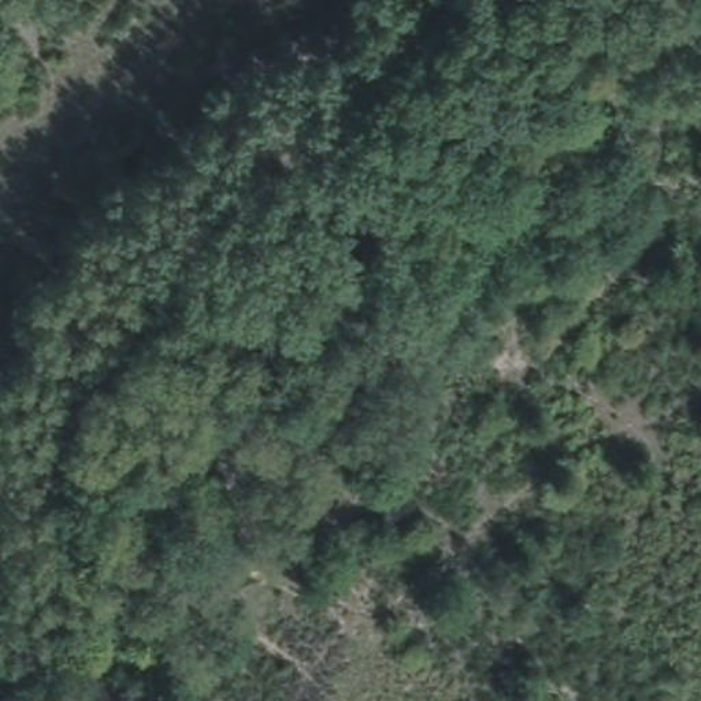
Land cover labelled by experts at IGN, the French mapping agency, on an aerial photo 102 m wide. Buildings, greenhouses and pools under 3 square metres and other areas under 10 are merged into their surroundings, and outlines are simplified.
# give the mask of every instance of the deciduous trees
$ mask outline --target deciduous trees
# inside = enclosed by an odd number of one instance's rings
[[[487,71],[485,82],[468,90],[452,90],[444,99],[416,99],[408,115],[405,151],[392,156],[370,156],[370,162],[386,175],[422,181],[422,189],[408,203],[403,203],[397,214],[397,227],[389,235],[411,235],[416,225],[427,227],[427,241],[422,246],[408,249],[408,255],[413,260],[433,263],[435,274],[430,279],[430,293],[435,293],[441,301],[455,298],[463,307],[474,301],[487,315],[487,320],[504,323],[504,318],[509,318],[518,307],[550,296],[591,301],[611,277],[630,268],[635,257],[660,235],[665,222],[665,200],[643,189],[643,183],[649,181],[649,167],[638,151],[633,131],[641,126],[657,126],[660,120],[671,120],[685,129],[701,129],[701,0],[676,0],[674,5],[663,8],[663,19],[633,11],[630,25],[624,25],[619,33],[586,30],[567,55],[548,58],[537,68],[509,66]]]
[[[550,485],[534,485],[526,501],[520,501],[515,509],[501,509],[496,520],[487,523],[487,534],[479,542],[468,542],[463,531],[449,531],[452,556],[441,556],[441,570],[452,575],[452,581],[438,591],[430,589],[413,600],[416,608],[430,619],[430,630],[446,638],[468,633],[468,627],[476,619],[474,589],[498,594],[504,611],[515,616],[515,622],[537,622],[548,605],[548,575],[575,589],[586,581],[586,575],[605,570],[605,559],[616,561],[619,531],[624,528],[624,520],[619,520],[616,515],[600,515],[600,501],[591,501],[586,496],[589,474],[605,463],[605,457],[600,452],[583,455],[578,471],[572,474],[572,482],[561,496]]]
[[[550,682],[528,676],[523,701],[545,701]]]
[[[90,33],[90,27],[99,30],[115,8],[115,0],[0,0],[0,44],[14,38],[16,33],[22,25],[38,22],[47,30],[47,36],[38,38],[38,49],[63,49],[68,33]]]
[[[44,665],[33,668],[16,682],[0,679],[0,701],[14,701],[19,693],[27,693],[38,685],[38,679],[44,676]]]
[[[690,307],[696,263],[682,263],[679,277],[663,274],[657,279],[657,304]]]

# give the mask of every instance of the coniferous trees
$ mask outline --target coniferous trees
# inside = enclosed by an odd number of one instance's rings
[[[452,90],[468,90],[485,82],[487,71],[509,66],[537,68],[548,58],[567,55],[586,30],[619,33],[624,25],[630,25],[633,11],[663,19],[663,8],[674,5],[676,0],[348,0],[348,8],[329,14],[312,27],[301,27],[298,33],[274,33],[274,38],[263,38],[260,47],[249,55],[225,58],[216,66],[197,63],[194,82],[181,88],[178,118],[170,129],[153,126],[134,142],[104,142],[101,159],[85,159],[79,164],[74,173],[66,175],[63,214],[52,219],[47,227],[47,255],[33,271],[22,268],[14,279],[14,353],[0,356],[0,679],[16,682],[33,668],[44,665],[44,676],[38,679],[38,685],[27,693],[19,693],[14,701],[104,701],[99,676],[112,663],[134,663],[140,668],[148,668],[170,663],[175,685],[181,687],[197,676],[197,671],[205,663],[227,660],[238,638],[246,638],[246,624],[241,622],[244,602],[238,600],[238,589],[244,583],[244,559],[249,559],[257,570],[263,564],[274,564],[285,572],[309,556],[312,526],[331,509],[331,504],[364,504],[370,509],[383,512],[403,507],[411,498],[416,482],[424,479],[430,468],[433,444],[424,444],[424,424],[430,424],[438,416],[438,405],[446,400],[452,389],[452,375],[457,372],[457,367],[452,364],[452,359],[457,353],[457,345],[471,337],[471,331],[479,323],[487,320],[487,315],[474,301],[463,307],[455,298],[441,301],[435,293],[430,293],[430,279],[435,274],[433,263],[413,260],[408,255],[408,249],[422,246],[427,241],[427,227],[416,225],[411,235],[389,235],[397,227],[397,214],[403,203],[408,203],[422,189],[422,181],[386,175],[370,162],[370,156],[392,156],[405,151],[408,115],[416,99],[444,99]]]

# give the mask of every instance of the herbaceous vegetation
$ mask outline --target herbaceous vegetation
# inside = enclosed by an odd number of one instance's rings
[[[63,49],[38,49],[38,38],[47,36],[47,30],[38,22],[22,25],[16,33],[27,41],[27,49],[33,55],[33,60],[25,63],[25,79],[19,85],[19,93],[38,93],[38,107],[27,118],[0,120],[0,225],[8,225],[14,219],[5,211],[11,203],[22,203],[22,194],[14,189],[14,183],[27,175],[25,162],[49,162],[49,140],[58,148],[68,151],[79,164],[85,159],[101,159],[104,142],[134,142],[153,126],[170,129],[178,118],[181,88],[194,82],[197,63],[216,66],[225,58],[249,55],[260,47],[263,38],[274,38],[274,33],[298,33],[301,27],[312,27],[329,14],[348,8],[348,0],[115,0],[115,8],[99,30],[90,27],[90,33],[68,33]]]
[[[309,682],[318,690],[320,701],[466,701],[468,696],[474,696],[474,682],[471,671],[466,668],[463,652],[452,652],[449,668],[441,671],[430,668],[433,660],[424,652],[411,652],[405,657],[386,654],[392,643],[408,638],[413,630],[430,630],[430,619],[416,608],[413,600],[405,594],[400,570],[375,570],[372,578],[359,578],[356,586],[337,605],[326,611],[312,611],[296,602],[298,586],[290,578],[285,578],[285,572],[274,564],[263,564],[257,570],[249,559],[244,559],[244,583],[238,589],[238,600],[244,602],[241,622],[246,624],[246,638],[252,638],[268,654],[277,654],[285,663],[290,663],[298,671],[298,679]]]
[[[545,701],[578,701],[578,693],[570,685],[550,682]]]

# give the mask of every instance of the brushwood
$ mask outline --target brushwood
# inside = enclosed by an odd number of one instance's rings
[[[238,638],[227,660],[205,663],[197,671],[197,676],[181,687],[175,685],[170,663],[148,668],[140,668],[134,663],[112,663],[99,676],[104,701],[320,701],[318,690],[309,682],[298,679],[298,671],[290,663],[285,663],[277,654],[268,654],[252,638],[246,638]]]
[[[19,93],[19,85],[25,79],[25,63],[33,60],[33,55],[27,49],[27,41],[16,33],[14,38],[0,44],[0,120],[27,118],[38,107],[38,93]]]
[[[5,211],[14,219],[8,225],[0,225],[0,356],[14,353],[14,279],[22,268],[33,271],[47,255],[47,227],[52,219],[63,214],[66,175],[74,173],[79,164],[68,151],[58,148],[49,140],[49,162],[25,162],[27,175],[14,183],[14,189],[22,194],[22,203],[11,203]]]
[[[520,501],[526,501],[534,485],[550,485],[561,496],[572,482],[572,474],[578,471],[583,455],[600,452],[605,457],[605,463],[589,474],[586,496],[591,501],[600,501],[600,515],[616,515],[619,520],[624,520],[624,528],[619,531],[616,561],[605,559],[605,570],[586,575],[586,581],[575,589],[548,575],[548,605],[537,622],[515,622],[515,616],[504,611],[498,594],[474,589],[476,619],[468,627],[468,633],[446,638],[430,630],[413,630],[408,638],[392,643],[386,654],[405,657],[411,652],[424,652],[433,660],[430,668],[441,671],[449,668],[452,652],[463,652],[466,668],[471,671],[474,682],[474,696],[468,696],[466,701],[523,701],[528,676],[550,682],[570,685],[578,693],[578,701],[701,701],[701,129],[685,129],[671,120],[660,120],[657,126],[641,126],[633,131],[638,151],[649,167],[649,181],[643,183],[643,189],[665,200],[665,222],[660,235],[635,257],[630,268],[611,277],[591,301],[550,296],[518,307],[509,318],[504,318],[504,323],[487,320],[479,323],[471,331],[471,337],[457,345],[457,353],[452,359],[452,364],[457,367],[457,372],[452,375],[452,389],[446,400],[438,405],[438,416],[430,424],[424,424],[424,444],[433,444],[430,468],[424,479],[416,482],[411,498],[403,507],[383,512],[370,509],[364,504],[331,504],[331,509],[312,526],[309,556],[285,572],[285,578],[290,578],[298,586],[296,602],[312,611],[326,611],[337,605],[356,586],[359,578],[372,578],[375,570],[400,570],[405,594],[413,600],[430,589],[438,591],[452,581],[452,575],[441,570],[441,556],[452,556],[449,531],[463,531],[468,542],[479,542],[487,534],[487,523],[496,520],[501,509],[515,509]],[[657,304],[657,279],[663,274],[679,277],[682,263],[696,263],[690,307]]]

